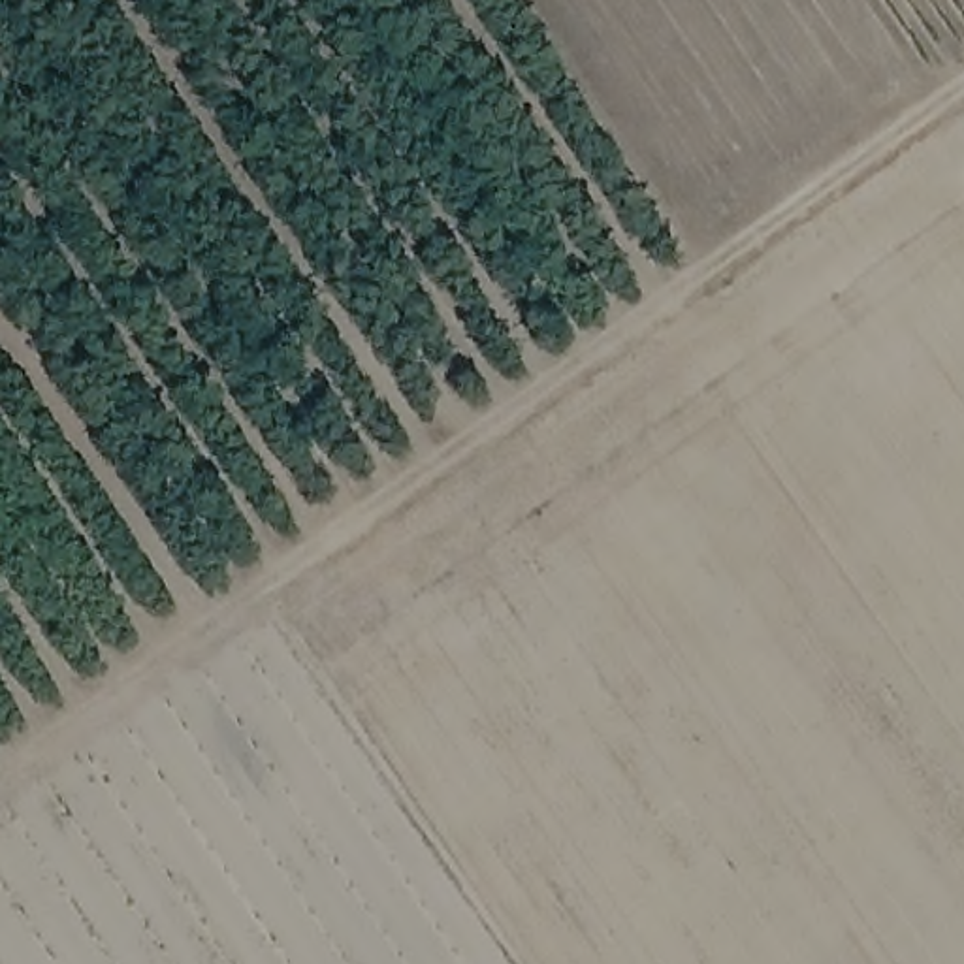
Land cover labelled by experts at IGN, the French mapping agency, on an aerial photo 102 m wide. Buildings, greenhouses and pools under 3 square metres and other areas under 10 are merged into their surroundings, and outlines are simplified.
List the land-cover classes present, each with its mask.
<instances>
[{"label":"agricultural land","instance_id":"1","mask_svg":"<svg viewBox=\"0 0 964 964\"><path fill-rule=\"evenodd\" d=\"M531 15L546 26V38L565 75L580 87V98L587 102L595 124L614 136L621 162L629 166V177L648 188V200H655L659 218L670 226L678 260L689 264L700 252L715 249L723 237L753 222L791 188H798L810 173L851 151L859 139L874 136L900 109L926 98L960 68L919 60L908 38L892 41L885 23L874 15L870 0H531ZM629 343L640 354L621 369L603 373L591 388L576 392L561 410L546 414L531 429V437H523L520 452L486 463V471L471 482L444 486L426 508L395 523L369 554L343 561L339 569L350 584L373 580L384 587L392 606L388 629L365 633L331 659H313L305 636L294 625H286L282 610H271L267 625L249 629L245 636L226 644V651L207 667V674L177 670L166 678H151L121 708L90 715L72 738V749H94V761L64 764L56 776L34 783L19 798V821L0 832V964H964V117L953 128L908 151L892 169L866 181L817 222L802 226L791 241L776 245L772 256L761 260L757 249L738 256L723 275L693 290L682 301V309L651 320L640 335H633Z\"/></svg>","mask_w":964,"mask_h":964},{"label":"deciduous trees","instance_id":"2","mask_svg":"<svg viewBox=\"0 0 964 964\"><path fill-rule=\"evenodd\" d=\"M11 173H23L30 181V188L41 196V211H56L53 230L83 256L87 279H75L68 271L53 233L38 237V215H30L19 200ZM0 309L19 331L30 335L49 380L83 418L98 452L117 467V474L136 493V501L143 505L147 520L154 523L177 565L207 595L226 591V565H252L260 557L249 523L237 516L226 493L230 486H241L252 508L264 516V523L290 538L297 523L290 516V505L275 490L260 456L245 444L241 429L230 422L215 388L207 384V373L230 377V392L237 395L241 410L256 422L271 452L286 463L301 497L328 501L331 478L343 467L354 478H369L373 456H407L410 444L395 410L377 395L373 380L358 369L350 346L339 339L331 316L316 305L313 282L290 264L286 249L275 241L264 215H256L252 203L230 185L200 121L185 109L173 83L132 34L113 0H0ZM121 316L132 324L139 350L162 377L154 388L132 369L113 331ZM305 350L320 354L316 373L328 380V399L316 407V414L290 426L286 399L279 395V388H294L297 395L313 388ZM478 19L501 41V49L490 56L478 38L463 30L448 0H136V8L151 19L162 45L177 53V64L188 75L192 90L203 98V105L215 109L218 128L226 143L237 151L249 177L264 188V196L297 233L305 256L313 260V267L324 271L331 294L373 343L377 358L388 362L407 403L418 410L422 422H429L433 414L437 399L429 373L433 365L448 369L456 350L444 335V324L429 294L418 286L422 271H429L452 294L456 316L463 320L467 335L501 373L512 380L523 377L520 354L508 339L505 320L490 309L474 275L467 271L459 252L463 245H474L486 271L505 286L512 305L520 309V320L535 343L542 350L561 354L572 343V331L603 324L606 297L618 294L621 301H640L633 267L610 241L603 218L595 215L587 185L569 177L550 139L535 128L531 105L516 98L512 83L505 79V64H516L523 72L527 87L542 98L550 121L565 132L576 158L595 173L618 218L644 245L648 256L659 264L678 260L670 226L659 218L655 200H648V188L629 177V166L621 162L614 136L595 124L587 102L580 98V87L565 75L546 38V26L531 15V0H471ZM34 463H49L56 471L68 501L98 531L102 554L109 557V565H117L136 603L151 614H162L173 610V603L166 580L139 550L109 493L98 486L94 471L68 444L49 407L38 399L26 369L0 346V580L11 576L15 591L30 603L53 648L87 678L102 674V651L132 648L136 636L124 606L113 599V580L94 569L83 535H75L68 520L56 512L49 486L38 478ZM0 655L41 704H56L60 700L56 682L34 655L19 618L0 599Z\"/></svg>","mask_w":964,"mask_h":964},{"label":"pervious surface","instance_id":"3","mask_svg":"<svg viewBox=\"0 0 964 964\"><path fill-rule=\"evenodd\" d=\"M964 117V68H960L926 98L900 109L874 136L859 139L851 151L810 173L798 188H791L753 222L723 237L715 249L700 252L689 264L678 260L659 264L648 256L633 267L640 301H621L618 294L606 297L603 324L572 331V343L561 354L542 350L535 343L520 354L523 377L512 380L501 373L482 380L478 369H471L448 395L437 399L433 414L441 418V426H448V441L429 444L422 452H414L410 444L407 456H373L369 478H354L343 467L331 478L328 501L301 497L290 505V516L297 523L290 538L279 554L260 557L252 565H226V591L207 595L196 584L188 595L173 603V610L162 614L166 629L158 636H136L132 648L102 651V674L87 678L94 689L75 708L60 700L56 704V712L45 723H23L19 731H11L8 742H0V832L19 821V798L34 783L56 776L64 764L94 761V749H72V738L90 715L121 708L151 678H166L177 670L207 674V667L226 651V644L245 636L249 629L267 625L271 610H282L286 625H294L305 636L313 659H331L365 633L388 629L392 606L384 587L373 580L350 584L339 569L343 561L369 554L395 523L426 508L444 486L471 482L486 471V463L520 452L523 437H531V429L546 414L561 410L576 392L591 388L603 373L621 369L640 354L629 343L633 335H640L651 320L682 309V301L693 290L723 275L738 256L757 249L761 260L772 256L776 245L791 241L802 226L817 222L866 181L892 169L908 151L953 128Z\"/></svg>","mask_w":964,"mask_h":964},{"label":"herbaceous vegetation","instance_id":"4","mask_svg":"<svg viewBox=\"0 0 964 964\"><path fill-rule=\"evenodd\" d=\"M132 34L173 83L185 109L200 121L230 185L252 203L256 215H264L275 241L286 249L290 264L313 282L316 305L331 316L339 339L350 346L358 369L373 380L377 395L395 410L410 444L414 452H422L429 444L448 441V426H441V418L433 414L429 422H422L418 410L407 403L388 362L377 358L373 343L331 294L324 271L313 267V260L305 256L297 233L264 196V188L249 177L237 151L226 143L218 128L215 109L203 105V98L192 90L188 75L177 64V53L162 45L151 19L136 8V0H113ZM463 30L478 38L490 56L501 49V41L478 19L471 0H448ZM505 79L512 83L516 98L531 105L535 128L550 139L569 177L587 185L595 215L603 218L610 241L633 267L648 256L644 245L618 218L595 173L576 158L565 132L550 121L542 98L527 87L523 72L516 64H505ZM19 200L30 215H38V237L53 233L68 271L75 279H87L83 256L53 230L56 211H41V196L30 188V181L23 173H11ZM459 252L467 271L474 275L490 309L505 320L508 339L520 354L535 343L520 320V309L512 305L505 286L486 271L474 245H463ZM418 286L429 294L444 324V335L456 350L448 369L433 365L429 373L437 399L448 395L471 369H478L482 380L501 373L467 335L463 320L456 316L452 294L429 271H422ZM0 346L26 369L38 399L49 407L68 444L94 471L98 486L109 493L139 550L166 580L173 603L188 595L196 584L177 565L154 523L147 520L143 505L136 501V493L117 474V467L98 452L83 418L49 380L30 335L19 331L0 309ZM113 331L132 369L154 388L162 377L139 350L132 324L121 316ZM313 388L297 395L294 388H279V395L286 399L290 426L316 414V407L328 399V380L316 373L320 354L305 350ZM207 384L215 388L230 422L241 429L245 444L260 456L275 490L290 505L301 497L286 463L271 452L256 422L241 410L237 395L230 392V377L207 373ZM38 478L49 486L56 512L68 520L75 535H83L94 569L113 580V599L124 606L136 636H158L166 629L162 614H151L136 603L117 565H109V557L102 554L98 531L68 501L56 471L49 463H34ZM226 493L237 516L249 523L260 557L279 554L290 538L264 523V516L252 508L241 486H230ZM0 599L19 618L34 655L56 682L60 700L75 708L94 689L87 678L53 648L30 603L15 591L11 576L0 580ZM56 712V704H41L0 655V742H8L11 731H19L23 723H45Z\"/></svg>","mask_w":964,"mask_h":964},{"label":"vineyard","instance_id":"5","mask_svg":"<svg viewBox=\"0 0 964 964\"><path fill-rule=\"evenodd\" d=\"M874 15L885 23L892 41L908 38L919 60L960 68H964V0H870Z\"/></svg>","mask_w":964,"mask_h":964}]
</instances>
